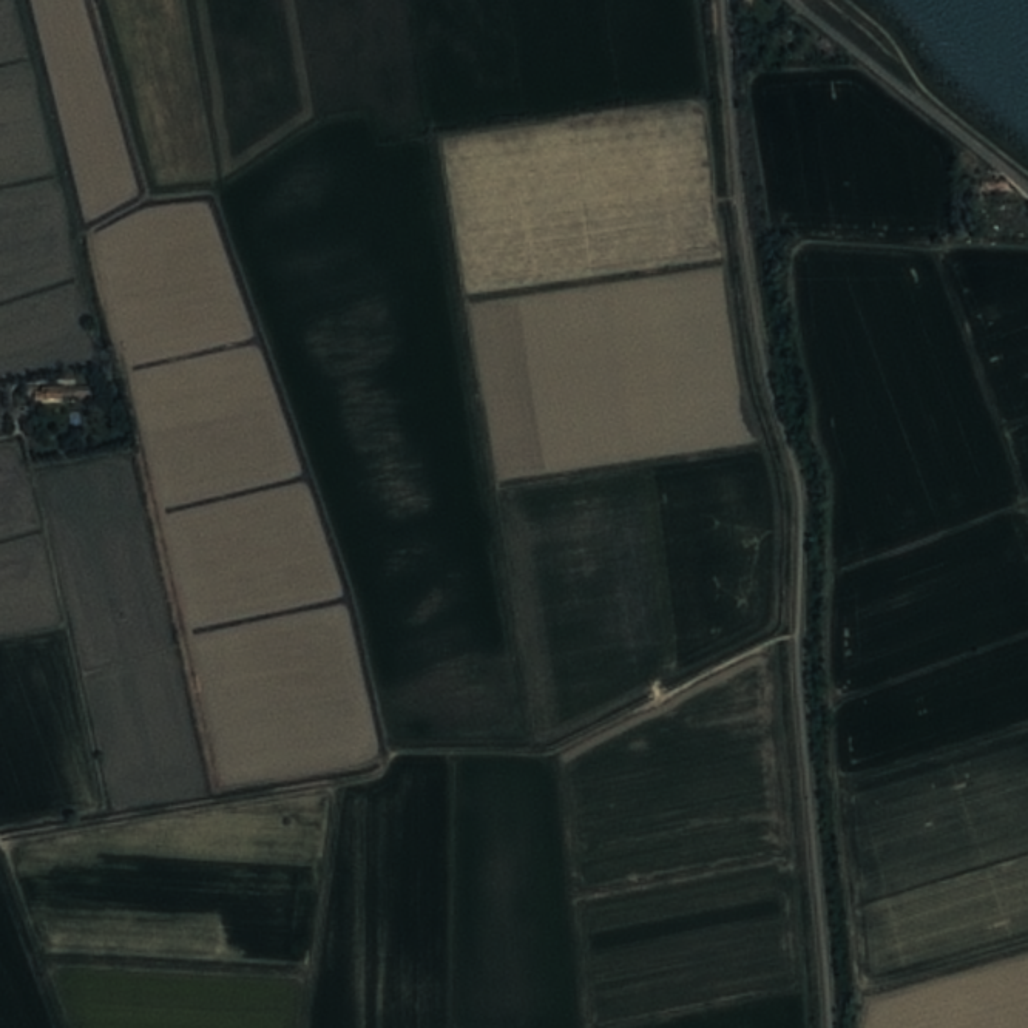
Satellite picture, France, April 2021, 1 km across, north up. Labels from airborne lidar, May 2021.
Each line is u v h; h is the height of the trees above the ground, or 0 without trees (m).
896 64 0
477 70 0
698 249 0
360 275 0
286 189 0
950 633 0
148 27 0
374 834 0
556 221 0
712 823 0
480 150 0
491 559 0
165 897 0
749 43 16
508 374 0
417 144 0
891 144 0
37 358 0
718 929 0
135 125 0
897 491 0
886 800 0
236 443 0
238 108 0
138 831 0
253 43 0
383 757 0
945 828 0
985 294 0
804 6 0
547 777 0
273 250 0
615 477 0
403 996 0
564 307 0
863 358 0
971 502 0
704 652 0
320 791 0
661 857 0
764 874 0
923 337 0
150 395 0
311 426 0
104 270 0
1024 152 6
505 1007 0
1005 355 0
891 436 0
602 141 0
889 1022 0
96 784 0
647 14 0
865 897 0
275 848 0
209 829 0
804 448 14
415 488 0
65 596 0
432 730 0
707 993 0
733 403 0
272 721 0
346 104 0
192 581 0
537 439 0
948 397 0
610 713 0
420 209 0
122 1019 0
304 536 0
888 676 0
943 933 0
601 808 0
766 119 0
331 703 0
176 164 0
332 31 0
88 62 0
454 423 0
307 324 0
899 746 0
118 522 0
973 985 0
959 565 0
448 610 0
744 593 0
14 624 0
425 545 0
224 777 0
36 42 0
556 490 0
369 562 0
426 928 0
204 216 0
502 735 0
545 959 0
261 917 0
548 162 0
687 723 0
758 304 0
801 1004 0
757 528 0
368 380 0
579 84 0
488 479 0
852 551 0
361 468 0
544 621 0
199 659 0
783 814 0
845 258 0
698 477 0
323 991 0
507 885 0
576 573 0
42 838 0
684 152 0
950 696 0
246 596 0
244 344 0
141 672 0
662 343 0
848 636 0
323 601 0
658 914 0
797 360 18
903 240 0
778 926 0
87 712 0
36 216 0
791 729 0
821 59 10
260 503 0
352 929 0
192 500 0
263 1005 0
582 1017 0
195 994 0
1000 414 0
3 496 0
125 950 0
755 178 6
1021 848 0
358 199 0
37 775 0
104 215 0
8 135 0
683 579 0
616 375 0
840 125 0
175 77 0
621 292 0
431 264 0
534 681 0
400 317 0
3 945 0
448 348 0
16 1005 0
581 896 0
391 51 0
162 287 0
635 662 0
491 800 0
